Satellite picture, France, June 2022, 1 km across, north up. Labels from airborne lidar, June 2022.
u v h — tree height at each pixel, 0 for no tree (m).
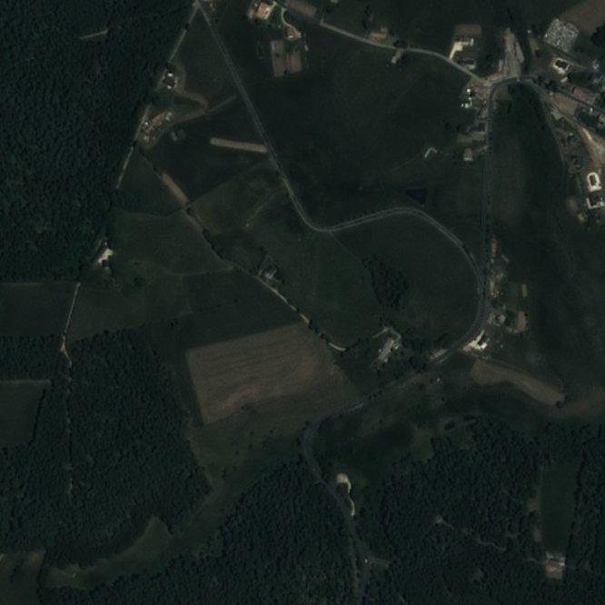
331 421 12
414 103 0
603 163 0
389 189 0
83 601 24
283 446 0
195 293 0
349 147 0
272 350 0
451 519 23
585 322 0
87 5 16
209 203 0
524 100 0
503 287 0
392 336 0
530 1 0
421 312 0
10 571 0
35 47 24
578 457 10
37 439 19
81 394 11
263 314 0
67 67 16
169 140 0
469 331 0
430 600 24
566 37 0
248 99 0
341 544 24
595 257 0
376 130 0
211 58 0
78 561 20
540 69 0
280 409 0
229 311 0
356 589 15
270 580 26
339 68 0
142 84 18
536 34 6
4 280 18
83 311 0
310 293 0
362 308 0
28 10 23
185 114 0
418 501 31
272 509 15
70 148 22
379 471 0
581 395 0
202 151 0
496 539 25
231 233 0
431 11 0
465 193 0
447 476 24
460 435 0
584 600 25
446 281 0
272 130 0
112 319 0
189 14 14
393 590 26
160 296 0
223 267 0
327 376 0
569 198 0
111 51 17
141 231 0
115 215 14
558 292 0
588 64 0
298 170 0
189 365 0
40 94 28
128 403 23
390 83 0
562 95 0
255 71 0
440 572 27
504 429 16
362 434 0
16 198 8
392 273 11
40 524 29
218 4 0
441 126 0
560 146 0
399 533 29
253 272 10
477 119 0
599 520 6
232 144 0
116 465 28
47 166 28
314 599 21
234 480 0
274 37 0
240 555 26
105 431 7
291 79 0
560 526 0
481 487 26
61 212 19
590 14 0
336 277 0
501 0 0
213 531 0
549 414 0
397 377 8
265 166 0
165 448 24
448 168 0
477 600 14
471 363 0
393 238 0
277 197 0
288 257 0
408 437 0
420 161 0
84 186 26
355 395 0
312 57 0
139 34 22
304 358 0
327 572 16
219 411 0
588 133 0
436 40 0
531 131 0
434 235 0
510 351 0
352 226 0
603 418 0
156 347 0
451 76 0
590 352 0
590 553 11
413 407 0
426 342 17
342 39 0
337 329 0
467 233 0
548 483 0
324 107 0
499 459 25
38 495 25
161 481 24
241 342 0
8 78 12
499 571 19
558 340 0
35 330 0
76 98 13
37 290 0
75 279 15
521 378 0
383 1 0
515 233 0
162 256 0
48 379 17
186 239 0
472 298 0
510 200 0
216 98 0
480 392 0
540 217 0
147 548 0
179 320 6
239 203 0
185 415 14
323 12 0
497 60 12
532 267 0
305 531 25
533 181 0
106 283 9
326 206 0
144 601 29
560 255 0
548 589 26
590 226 9
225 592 27
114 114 21
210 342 0
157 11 19
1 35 24
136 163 0
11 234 13
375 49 0
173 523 26
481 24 0
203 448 0
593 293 0
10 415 0
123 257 0
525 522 25
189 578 26
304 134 0
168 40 14
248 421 0
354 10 0
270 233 0
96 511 19
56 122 24
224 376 0
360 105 0
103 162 24
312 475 33
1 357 22
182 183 0
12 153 10
